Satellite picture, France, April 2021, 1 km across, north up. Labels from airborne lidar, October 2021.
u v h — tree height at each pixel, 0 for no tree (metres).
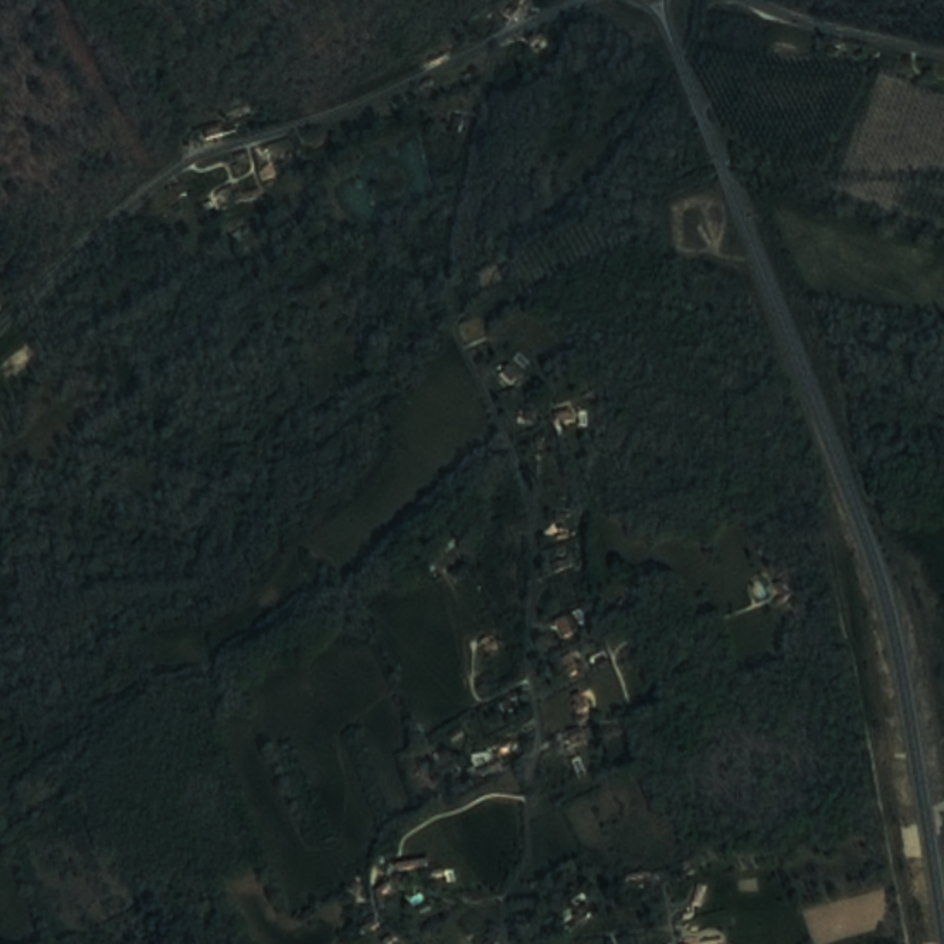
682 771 21
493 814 0
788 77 22
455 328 15
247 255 24
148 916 7
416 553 21
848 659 19
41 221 20
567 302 18
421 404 0
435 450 0
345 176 35
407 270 22
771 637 0
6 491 9
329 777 0
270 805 0
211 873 18
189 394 23
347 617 23
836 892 16
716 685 26
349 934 7
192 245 28
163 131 20
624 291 23
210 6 27
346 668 0
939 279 0
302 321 18
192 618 20
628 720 20
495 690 8
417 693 0
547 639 16
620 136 12
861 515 0
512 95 22
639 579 20
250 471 17
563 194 15
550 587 8
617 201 20
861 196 25
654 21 0
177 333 20
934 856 0
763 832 24
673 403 10
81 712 13
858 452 17
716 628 22
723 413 8
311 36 23
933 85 12
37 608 23
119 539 15
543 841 0
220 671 17
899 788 0
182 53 28
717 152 0
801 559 12
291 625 21
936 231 16
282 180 23
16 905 0
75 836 10
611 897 20
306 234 34
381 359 26
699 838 16
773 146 24
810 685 21
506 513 0
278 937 0
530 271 35
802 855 14
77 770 14
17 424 21
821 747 23
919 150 15
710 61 26
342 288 23
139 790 15
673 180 6
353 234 22
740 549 0
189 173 0
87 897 0
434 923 10
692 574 0
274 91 18
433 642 0
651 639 23
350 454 16
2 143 21
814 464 15
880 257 0
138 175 19
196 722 15
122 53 28
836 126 24
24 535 21
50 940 19
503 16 0
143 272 24
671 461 7
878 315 20
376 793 6
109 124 21
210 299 22
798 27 0
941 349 30
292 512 17
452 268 19
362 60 23
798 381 0
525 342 0
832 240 0
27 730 15
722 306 6
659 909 14
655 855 0
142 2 25
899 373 31
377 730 0
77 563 11
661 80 6
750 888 0
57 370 27
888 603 0
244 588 26
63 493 24
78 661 21
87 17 23
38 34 14
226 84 25
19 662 32
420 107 22
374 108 0
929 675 0
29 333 23
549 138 16
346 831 0
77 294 26
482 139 22
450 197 16
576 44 31
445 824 0
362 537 0
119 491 20
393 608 0
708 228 0
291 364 7
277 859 0
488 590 9
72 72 11
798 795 18
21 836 9
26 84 16
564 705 0
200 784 24
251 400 9
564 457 13
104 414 19
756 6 0
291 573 0
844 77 22
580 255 35
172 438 22
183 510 21
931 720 0
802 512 14
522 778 17
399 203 6
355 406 18
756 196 10
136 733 12
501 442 17
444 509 19
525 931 19
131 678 11
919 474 25
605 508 13
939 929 0
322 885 0
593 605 7
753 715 22
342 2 22
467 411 0
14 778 7
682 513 18
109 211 21
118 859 10
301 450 9
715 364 12
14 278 23
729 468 10
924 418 26
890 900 9
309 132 16
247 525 10
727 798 20
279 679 0
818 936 0
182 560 16
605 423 10
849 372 24
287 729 0
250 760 0
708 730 26
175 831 17
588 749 9
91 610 23
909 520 22
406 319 15
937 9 11
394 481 0
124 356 26
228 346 27
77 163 19
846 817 23
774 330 0
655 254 16
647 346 11
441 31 15
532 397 11
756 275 0
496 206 24
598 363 17
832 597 17
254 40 25
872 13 22
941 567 0
